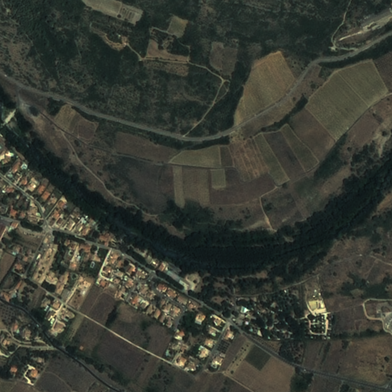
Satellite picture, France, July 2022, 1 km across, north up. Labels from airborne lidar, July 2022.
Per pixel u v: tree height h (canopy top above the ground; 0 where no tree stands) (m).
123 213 23
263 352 0
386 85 0
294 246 22
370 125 0
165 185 0
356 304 0
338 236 14
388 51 6
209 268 14
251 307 17
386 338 0
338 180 0
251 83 0
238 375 0
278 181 0
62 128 0
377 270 0
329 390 0
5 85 0
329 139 0
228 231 14
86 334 0
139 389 0
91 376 0
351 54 0
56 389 0
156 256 22
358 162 9
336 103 0
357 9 7
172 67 0
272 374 0
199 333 11
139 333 0
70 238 15
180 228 15
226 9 0
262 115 0
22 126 15
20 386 0
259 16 0
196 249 16
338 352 0
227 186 0
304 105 8
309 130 0
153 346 0
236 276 25
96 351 0
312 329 9
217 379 0
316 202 0
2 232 0
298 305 18
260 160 0
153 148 0
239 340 0
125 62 0
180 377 0
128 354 0
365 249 0
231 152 0
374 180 16
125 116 0
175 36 8
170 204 9
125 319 0
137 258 26
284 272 9
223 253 24
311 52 0
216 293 18
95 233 6
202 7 0
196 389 0
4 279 10
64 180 16
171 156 0
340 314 0
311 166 0
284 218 0
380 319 0
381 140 0
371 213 20
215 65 0
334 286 0
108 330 0
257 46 0
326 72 0
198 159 0
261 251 21
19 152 7
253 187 0
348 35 0
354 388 0
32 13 8
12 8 7
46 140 0
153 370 0
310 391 0
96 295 0
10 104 12
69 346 9
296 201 0
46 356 12
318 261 18
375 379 0
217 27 0
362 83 0
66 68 8
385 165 11
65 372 0
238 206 0
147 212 8
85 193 24
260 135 0
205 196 0
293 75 0
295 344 12
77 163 0
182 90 0
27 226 20
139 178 0
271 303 7
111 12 0
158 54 0
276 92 0
